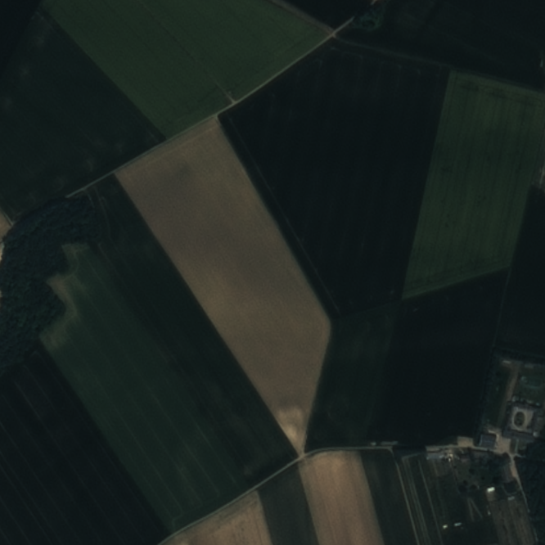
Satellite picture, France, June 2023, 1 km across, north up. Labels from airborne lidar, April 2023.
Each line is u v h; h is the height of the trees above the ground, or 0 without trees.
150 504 0
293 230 0
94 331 0
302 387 0
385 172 0
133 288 0
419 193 0
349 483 0
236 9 0
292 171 0
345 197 0
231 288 0
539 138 0
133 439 0
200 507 0
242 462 0
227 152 0
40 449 0
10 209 0
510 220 0
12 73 0
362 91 0
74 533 0
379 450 0
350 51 0
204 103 0
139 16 0
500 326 0
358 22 15
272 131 0
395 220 0
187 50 0
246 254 0
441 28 0
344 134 0
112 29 0
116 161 0
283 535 0
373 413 0
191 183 0
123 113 0
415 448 10
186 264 0
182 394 0
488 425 0
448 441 0
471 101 0
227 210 0
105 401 0
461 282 0
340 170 0
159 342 0
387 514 0
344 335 0
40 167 0
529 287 0
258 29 0
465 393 0
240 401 0
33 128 0
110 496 0
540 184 0
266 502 0
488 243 0
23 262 16
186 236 0
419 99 0
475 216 0
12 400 0
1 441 0
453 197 0
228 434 0
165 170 0
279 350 0
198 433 0
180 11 0
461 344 0
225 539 0
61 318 0
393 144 0
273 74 0
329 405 0
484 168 0
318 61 0
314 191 0
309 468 0
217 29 0
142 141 0
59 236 22
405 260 0
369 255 0
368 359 0
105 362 0
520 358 11
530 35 0
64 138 0
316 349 0
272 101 0
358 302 0
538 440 12
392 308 0
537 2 0
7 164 0
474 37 0
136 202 0
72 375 0
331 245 0
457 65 0
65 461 0
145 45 0
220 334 0
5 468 0
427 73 0
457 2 0
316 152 0
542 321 0
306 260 0
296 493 0
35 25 0
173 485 0
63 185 0
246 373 0
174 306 0
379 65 0
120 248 0
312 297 0
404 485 0
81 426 0
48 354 0
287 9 0
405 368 0
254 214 0
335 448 0
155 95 0
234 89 0
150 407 0
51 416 0
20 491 0
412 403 0
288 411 0
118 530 0
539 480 21
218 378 0
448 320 0
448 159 0
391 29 0
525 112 0
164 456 0
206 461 0
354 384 0
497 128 0
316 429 0
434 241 0
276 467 0
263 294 0
